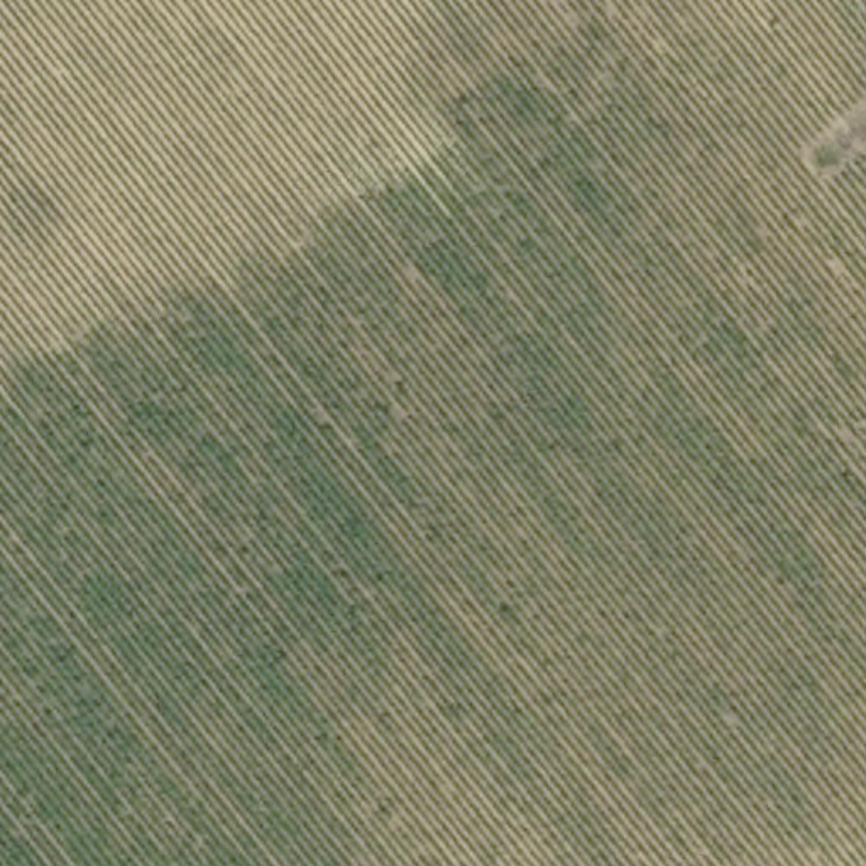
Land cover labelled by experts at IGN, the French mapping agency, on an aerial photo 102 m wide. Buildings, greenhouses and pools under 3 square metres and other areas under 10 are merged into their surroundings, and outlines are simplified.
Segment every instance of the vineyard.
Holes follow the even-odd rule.
[[[866,0],[0,0],[0,866],[866,866]]]

